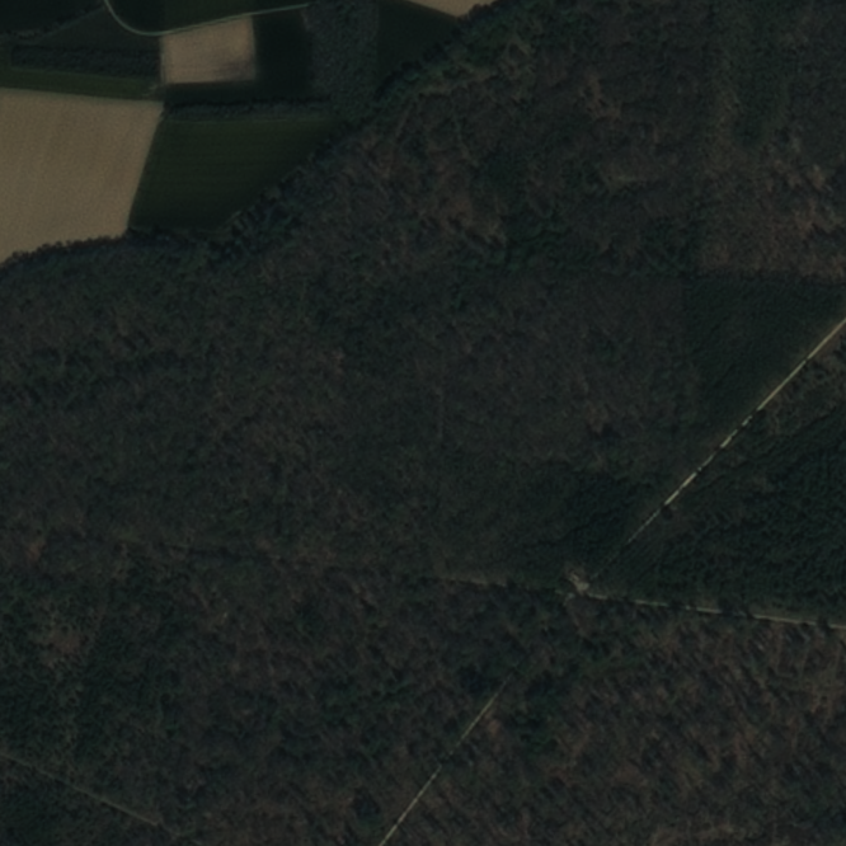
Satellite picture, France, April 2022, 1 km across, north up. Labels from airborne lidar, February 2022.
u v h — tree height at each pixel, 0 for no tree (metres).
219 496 28
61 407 25
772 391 0
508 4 15
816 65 22
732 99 21
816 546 16
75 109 0
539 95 10
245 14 0
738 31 20
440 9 0
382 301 21
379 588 30
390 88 14
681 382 23
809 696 10
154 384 26
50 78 0
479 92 8
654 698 33
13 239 0
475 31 27
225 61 0
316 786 0
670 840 0
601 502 22
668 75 16
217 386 26
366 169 32
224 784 31
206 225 0
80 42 0
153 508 25
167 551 22
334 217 29
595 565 19
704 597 0
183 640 26
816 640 29
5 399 24
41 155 0
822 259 19
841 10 23
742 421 11
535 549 21
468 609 28
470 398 26
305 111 14
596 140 23
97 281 26
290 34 0
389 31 0
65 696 0
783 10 18
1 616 17
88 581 11
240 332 29
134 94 0
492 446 24
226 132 0
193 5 0
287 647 12
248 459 27
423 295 23
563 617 30
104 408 25
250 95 0
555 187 10
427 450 23
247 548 26
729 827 0
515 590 19
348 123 0
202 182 0
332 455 28
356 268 30
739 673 0
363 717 13
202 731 12
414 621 31
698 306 20
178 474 24
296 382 28
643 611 29
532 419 25
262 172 0
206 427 21
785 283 18
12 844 23
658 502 14
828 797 30
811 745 7
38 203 0
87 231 0
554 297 30
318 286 24
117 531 25
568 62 11
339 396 27
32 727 13
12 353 23
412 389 20
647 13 7
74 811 6
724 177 18
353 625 29
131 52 0
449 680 19
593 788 23
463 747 30
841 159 20
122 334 26
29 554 22
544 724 27
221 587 18
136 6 0
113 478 20
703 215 12
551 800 28
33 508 25
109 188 0
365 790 0
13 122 0
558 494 16
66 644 0
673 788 31
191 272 27
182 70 0
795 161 19
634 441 27
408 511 23
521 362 31
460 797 30
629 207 14
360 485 21
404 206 33
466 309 25
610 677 0
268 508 26
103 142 0
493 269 14
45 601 20
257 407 24
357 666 30
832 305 18
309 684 25
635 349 31
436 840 0
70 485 27
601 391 30
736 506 6
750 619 25
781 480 14
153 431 24
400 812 0
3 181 0
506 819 29
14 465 27
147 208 0
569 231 13
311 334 27
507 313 28
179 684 26
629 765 0
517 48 9
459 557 16
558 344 31
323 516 27
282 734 17
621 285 19
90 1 0
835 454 15
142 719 12
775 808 8
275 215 23
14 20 0
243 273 28
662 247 12
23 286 22
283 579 18
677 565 15
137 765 17
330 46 14
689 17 13
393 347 25
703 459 19
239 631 17
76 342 21
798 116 24
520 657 29
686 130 16
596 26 11
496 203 11
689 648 29
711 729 35
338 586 17
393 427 22
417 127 10
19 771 8
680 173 15
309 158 0
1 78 0
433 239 29
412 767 0
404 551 25
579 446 22
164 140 0
